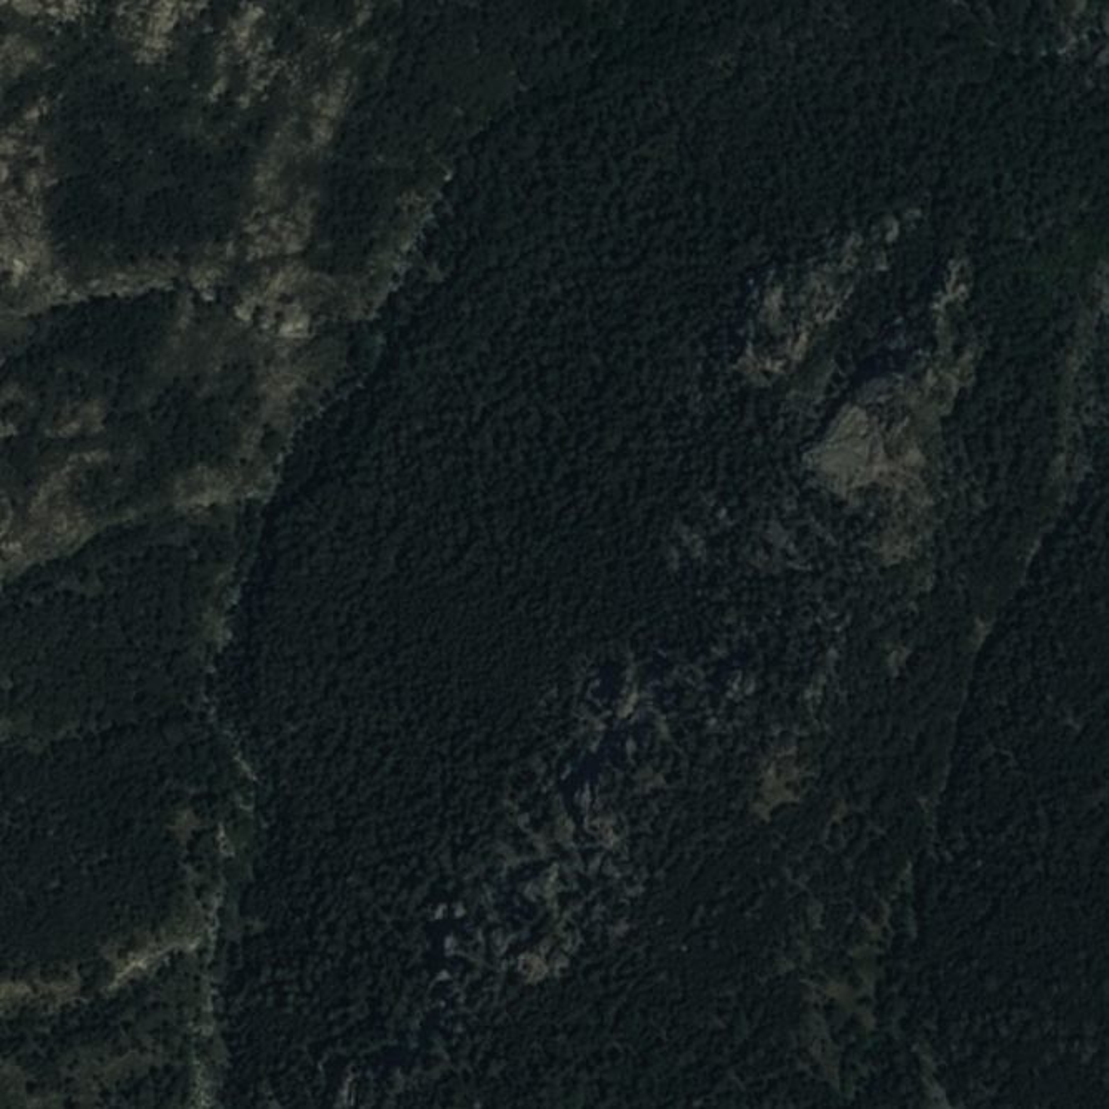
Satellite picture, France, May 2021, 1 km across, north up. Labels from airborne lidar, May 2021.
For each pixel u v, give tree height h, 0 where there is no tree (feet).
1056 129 82
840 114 84
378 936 90
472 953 51
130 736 109
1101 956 72
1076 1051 58
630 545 65
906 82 79
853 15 63
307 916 102
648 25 47
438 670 78
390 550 77
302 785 68
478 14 48
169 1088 57
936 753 61
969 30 100
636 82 89
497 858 31
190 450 56
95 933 43
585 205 50
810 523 29
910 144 58
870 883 58
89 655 89
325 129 0
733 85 76
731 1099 46
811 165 73
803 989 35
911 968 53
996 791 57
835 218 45
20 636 91
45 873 52
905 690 91
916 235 43
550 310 60
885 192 67
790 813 41
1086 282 46
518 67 65
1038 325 99
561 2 61
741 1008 44
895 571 46
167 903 75
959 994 63
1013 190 75
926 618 56
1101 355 27
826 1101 38
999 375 94
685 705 66
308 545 62
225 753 45
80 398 38
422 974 99
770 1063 37
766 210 73
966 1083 55
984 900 58
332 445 68
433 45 83
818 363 42
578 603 56
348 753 95
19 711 65
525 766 58
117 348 50
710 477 47
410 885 32
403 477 43
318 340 23
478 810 82
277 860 38
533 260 73
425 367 58
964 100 73
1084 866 68
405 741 76
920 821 60
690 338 56
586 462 66
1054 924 61
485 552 72
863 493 29
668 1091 42
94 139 44
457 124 70
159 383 0
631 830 38
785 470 44
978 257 60
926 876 50
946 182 52
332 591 70
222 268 0
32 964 48
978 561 66
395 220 31
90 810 60
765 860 42
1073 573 65
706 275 53
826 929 29
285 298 31
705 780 62
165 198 45
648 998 52
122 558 27
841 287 37
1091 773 65
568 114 101
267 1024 59
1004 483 94
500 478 70
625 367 78
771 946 35
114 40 0
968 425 91
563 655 59
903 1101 64
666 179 91
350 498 55
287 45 34
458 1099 68
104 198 47
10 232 0
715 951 45
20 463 58
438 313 62
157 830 81
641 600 37
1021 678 85
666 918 42
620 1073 53
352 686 54
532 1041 48
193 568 100
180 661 93
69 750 59
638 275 83
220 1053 0
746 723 43
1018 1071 48
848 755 74
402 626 81
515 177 72
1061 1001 46
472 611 72
